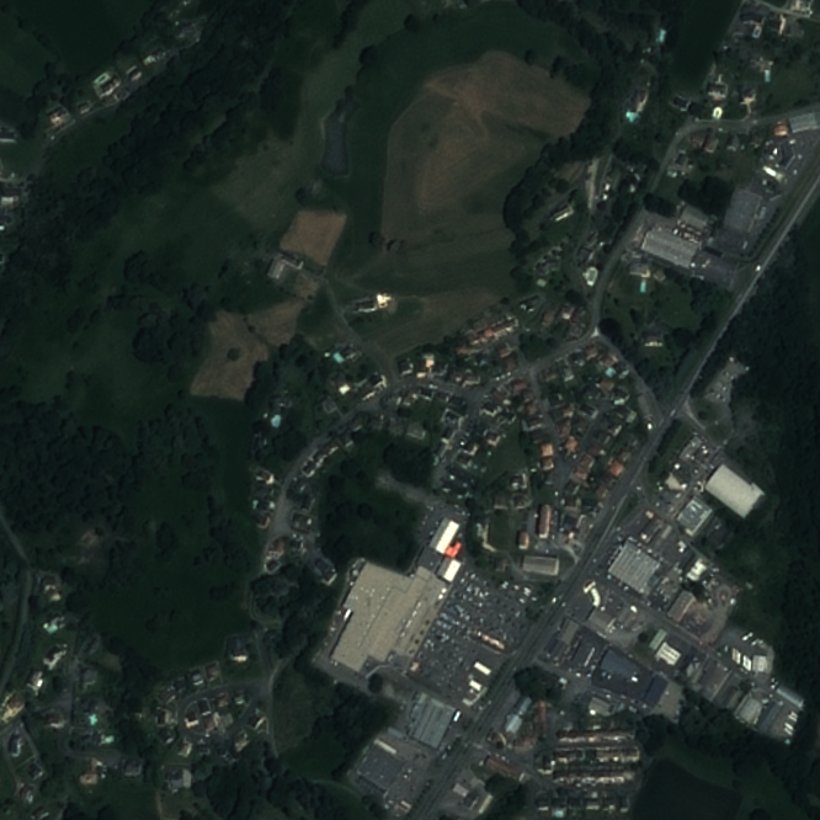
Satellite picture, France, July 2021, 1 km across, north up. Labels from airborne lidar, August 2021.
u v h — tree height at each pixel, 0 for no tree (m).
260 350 0
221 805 19
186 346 17
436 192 0
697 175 0
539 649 0
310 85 0
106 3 0
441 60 0
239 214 0
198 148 13
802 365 15
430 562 0
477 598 0
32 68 0
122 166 23
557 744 0
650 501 0
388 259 0
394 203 0
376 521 7
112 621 0
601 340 0
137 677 25
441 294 0
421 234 0
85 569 0
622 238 8
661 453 12
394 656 0
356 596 0
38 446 22
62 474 21
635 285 0
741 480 0
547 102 0
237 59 30
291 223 0
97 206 18
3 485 15
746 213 0
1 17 0
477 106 0
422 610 0
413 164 0
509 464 0
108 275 0
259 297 0
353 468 17
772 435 7
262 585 21
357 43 0
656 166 17
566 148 21
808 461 16
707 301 27
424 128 0
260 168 0
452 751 6
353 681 0
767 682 0
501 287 0
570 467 0
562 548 0
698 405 0
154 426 18
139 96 14
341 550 21
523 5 23
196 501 0
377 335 0
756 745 25
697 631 0
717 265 0
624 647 0
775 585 7
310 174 0
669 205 29
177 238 0
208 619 0
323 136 0
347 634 0
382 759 0
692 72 0
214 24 15
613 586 0
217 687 0
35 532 20
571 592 0
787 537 7
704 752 7
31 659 16
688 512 0
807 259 14
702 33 0
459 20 0
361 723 26
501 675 6
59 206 22
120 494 23
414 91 0
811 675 12
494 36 0
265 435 13
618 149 21
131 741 18
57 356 0
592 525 0
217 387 0
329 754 0
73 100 16
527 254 18
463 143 0
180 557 0
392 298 0
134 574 26
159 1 9
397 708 0
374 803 8
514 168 0
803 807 14
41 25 0
